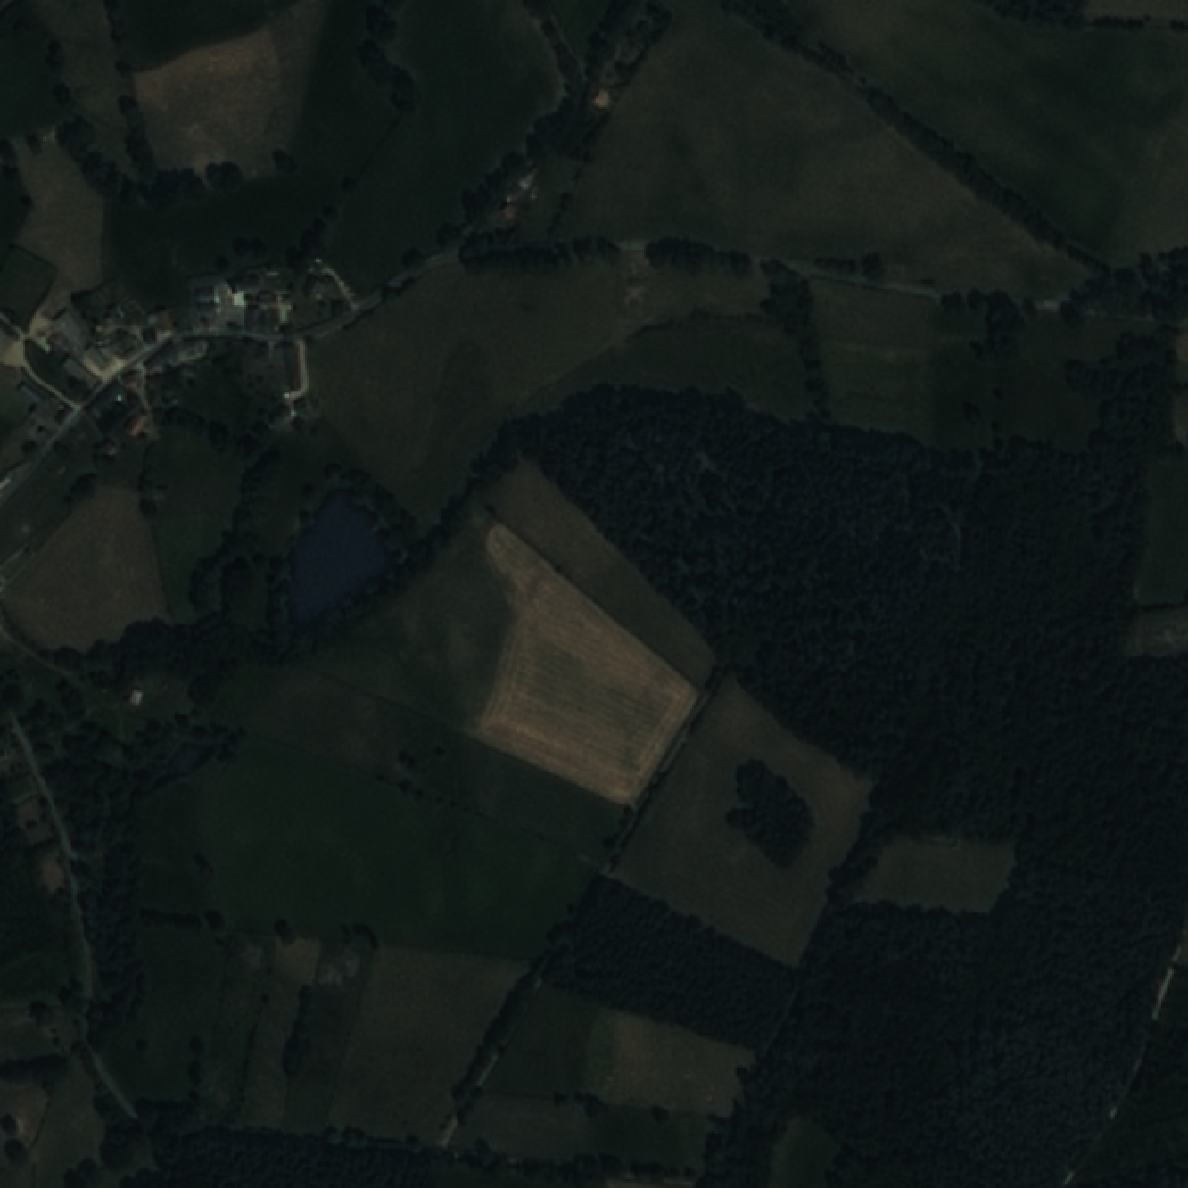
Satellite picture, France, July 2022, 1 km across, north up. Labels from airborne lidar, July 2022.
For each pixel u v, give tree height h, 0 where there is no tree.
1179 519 0
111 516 0
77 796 11
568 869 0
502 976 0
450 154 0
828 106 0
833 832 0
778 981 25
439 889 0
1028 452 19
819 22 0
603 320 0
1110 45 0
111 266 0
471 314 0
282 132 0
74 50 0
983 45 0
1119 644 19
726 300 0
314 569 0
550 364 0
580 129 17
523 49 0
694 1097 0
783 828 20
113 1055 0
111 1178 0
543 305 0
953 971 22
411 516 11
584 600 0
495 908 0
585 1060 0
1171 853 21
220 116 0
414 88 22
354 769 0
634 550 18
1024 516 18
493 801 0
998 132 0
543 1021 0
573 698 0
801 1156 0
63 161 0
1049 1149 30
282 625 17
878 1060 25
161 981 0
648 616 0
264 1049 0
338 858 0
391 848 0
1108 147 0
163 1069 0
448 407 0
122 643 7
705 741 0
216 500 0
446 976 0
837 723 11
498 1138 0
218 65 0
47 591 0
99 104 0
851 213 0
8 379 0
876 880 0
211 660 22
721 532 29
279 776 0
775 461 22
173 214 0
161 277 0
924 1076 21
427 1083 0
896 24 0
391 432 0
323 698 0
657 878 0
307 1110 0
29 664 0
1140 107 0
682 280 0
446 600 0
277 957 0
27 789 0
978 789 16
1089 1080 29
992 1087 26
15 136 0
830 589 15
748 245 0
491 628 0
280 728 0
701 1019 22
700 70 0
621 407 25
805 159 0
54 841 6
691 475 29
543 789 0
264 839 0
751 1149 18
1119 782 21
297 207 0
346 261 0
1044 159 0
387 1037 0
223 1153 21
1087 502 6
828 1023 27
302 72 0
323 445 0
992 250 0
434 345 0
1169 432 17
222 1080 0
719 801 0
